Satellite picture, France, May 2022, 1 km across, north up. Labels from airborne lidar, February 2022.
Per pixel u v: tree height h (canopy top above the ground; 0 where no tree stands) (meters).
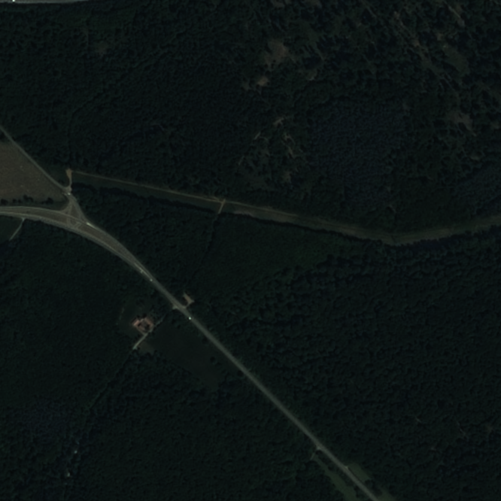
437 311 30
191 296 16
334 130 27
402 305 33
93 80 13
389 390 24
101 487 21
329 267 37
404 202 12
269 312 33
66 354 16
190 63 7
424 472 24
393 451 24
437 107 13
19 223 0
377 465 25
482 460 20
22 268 17
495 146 24
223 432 24
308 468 22
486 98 29
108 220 23
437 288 33
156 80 9
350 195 22
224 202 0
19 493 17
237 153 11
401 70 29
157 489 22
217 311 24
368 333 26
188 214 21
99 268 14
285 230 18
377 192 28
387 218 16
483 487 24
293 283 31
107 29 8
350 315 35
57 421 26
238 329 27
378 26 31
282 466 24
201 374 0
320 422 20
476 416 21
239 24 8
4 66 9
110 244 0
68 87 8
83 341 18
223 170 11
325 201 9
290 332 31
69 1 0
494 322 30
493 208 27
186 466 21
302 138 11
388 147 21
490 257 24
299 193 9
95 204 25
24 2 0
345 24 10
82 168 22
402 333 27
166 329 0
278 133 6
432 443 21
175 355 0
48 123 12
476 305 31
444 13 14
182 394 22
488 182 25
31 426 26
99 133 11
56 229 9
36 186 0
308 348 29
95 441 24
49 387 18
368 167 27
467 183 25
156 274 10
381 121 26
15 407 20
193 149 15
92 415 22
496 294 28
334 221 11
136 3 17
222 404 24
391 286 32
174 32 11
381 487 8
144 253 19
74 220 0
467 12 38
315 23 27
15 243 10
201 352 0
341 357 30
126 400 16
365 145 25
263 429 24
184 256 21
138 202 22
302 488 19
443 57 28
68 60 11
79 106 10
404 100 19
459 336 29
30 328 15
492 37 30
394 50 31
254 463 23
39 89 12
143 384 14
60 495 11
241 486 25
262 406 25
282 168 9
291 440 18
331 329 29
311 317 32
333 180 22
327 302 35
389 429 24
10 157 0
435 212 12
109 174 19
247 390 10
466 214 14
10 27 21
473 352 29
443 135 31
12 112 14
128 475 16
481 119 11
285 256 20
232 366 0
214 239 18
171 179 26
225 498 20
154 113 7
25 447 19
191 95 14
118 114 13
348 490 0
